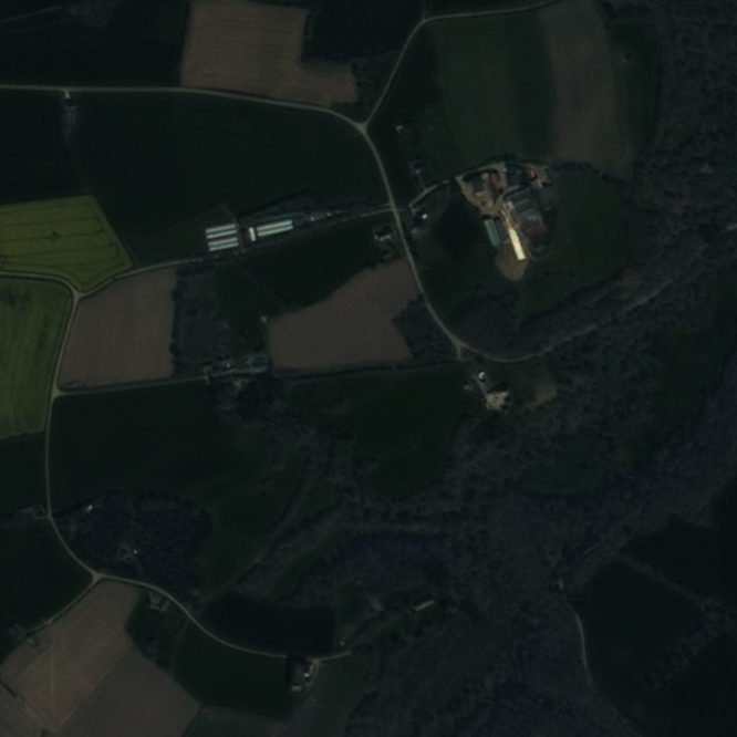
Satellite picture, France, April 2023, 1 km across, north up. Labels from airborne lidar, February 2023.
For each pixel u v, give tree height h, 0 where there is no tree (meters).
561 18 0
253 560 0
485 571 21
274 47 0
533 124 0
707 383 0
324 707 0
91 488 0
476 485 17
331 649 0
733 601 0
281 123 0
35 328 0
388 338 0
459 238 0
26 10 0
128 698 0
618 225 0
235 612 0
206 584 0
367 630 9
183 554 16
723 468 20
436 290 0
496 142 0
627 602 0
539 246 0
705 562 0
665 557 0
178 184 0
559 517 30
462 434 10
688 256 22
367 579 20
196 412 0
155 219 0
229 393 10
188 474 0
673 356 0
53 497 0
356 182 0
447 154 0
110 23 0
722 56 26
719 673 0
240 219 7
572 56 0
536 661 21
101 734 0
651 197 0
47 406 0
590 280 0
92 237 0
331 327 0
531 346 15
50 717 0
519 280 0
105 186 0
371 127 0
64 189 0
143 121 0
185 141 0
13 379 0
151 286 0
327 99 0
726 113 19
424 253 0
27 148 0
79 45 0
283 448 16
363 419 0
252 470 0
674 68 19
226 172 0
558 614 17
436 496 10
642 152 6
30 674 0
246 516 0
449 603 16
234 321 0
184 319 13
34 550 0
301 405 0
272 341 0
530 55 0
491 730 23
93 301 0
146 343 0
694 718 0
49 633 0
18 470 0
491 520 22
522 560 15
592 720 20
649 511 19
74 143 0
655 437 0
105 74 0
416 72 0
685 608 0
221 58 0
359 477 9
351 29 0
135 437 0
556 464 14
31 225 0
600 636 0
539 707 25
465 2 0
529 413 10
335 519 6
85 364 0
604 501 22
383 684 15
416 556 28
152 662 10
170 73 0
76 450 0
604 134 0
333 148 0
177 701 0
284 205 6
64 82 0
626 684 0
